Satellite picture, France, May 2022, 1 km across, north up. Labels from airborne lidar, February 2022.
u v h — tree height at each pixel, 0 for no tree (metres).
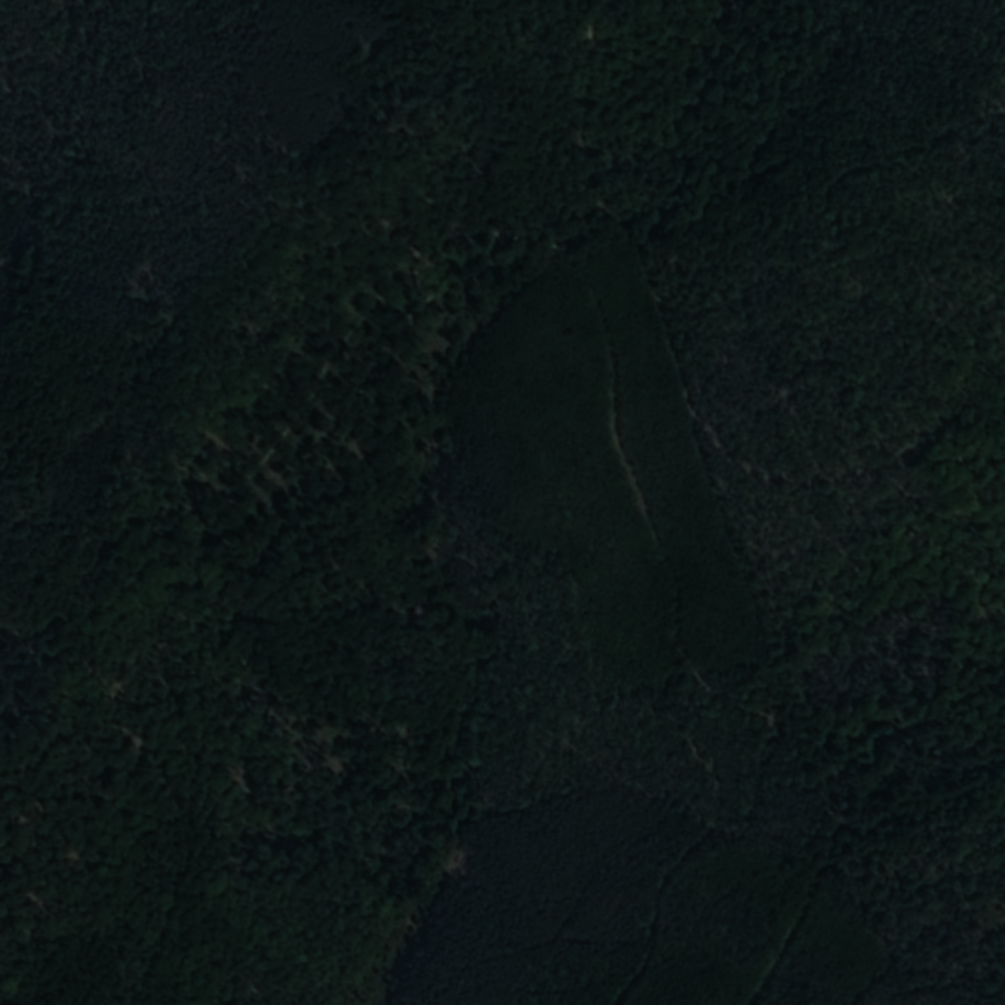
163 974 26
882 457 19
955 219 24
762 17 35
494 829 21
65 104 29
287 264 19
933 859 25
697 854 17
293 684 32
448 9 29
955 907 21
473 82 21
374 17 16
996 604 31
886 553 29
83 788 35
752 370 27
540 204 23
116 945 27
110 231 26
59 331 23
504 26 32
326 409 24
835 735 30
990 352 24
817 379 26
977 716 31
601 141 20
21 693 28
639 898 16
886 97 28
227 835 34
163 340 18
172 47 20
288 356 30
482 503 17
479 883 16
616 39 32
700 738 16
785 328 29
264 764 34
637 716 20
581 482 11
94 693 34
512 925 19
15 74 26
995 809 19
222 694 28
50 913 30
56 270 32
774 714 20
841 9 28
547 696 26
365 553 28
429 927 24
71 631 26
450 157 23
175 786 31
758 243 28
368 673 29
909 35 25
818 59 33
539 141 26
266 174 21
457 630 35
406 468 36
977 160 25
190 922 29
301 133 14
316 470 31
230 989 30
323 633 29
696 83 37
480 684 26
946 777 18
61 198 28
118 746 35
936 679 35
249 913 26
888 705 27
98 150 27
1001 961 22
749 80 35
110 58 26
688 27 38
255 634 32
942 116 24
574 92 27
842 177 24
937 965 20
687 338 26
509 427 12
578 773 19
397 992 22
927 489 27
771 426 25
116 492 20
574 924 16
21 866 36
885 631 28
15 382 28
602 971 10
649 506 13
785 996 18
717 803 19
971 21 25
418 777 28
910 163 24
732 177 37
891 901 22
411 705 25
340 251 24
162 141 19
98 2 25
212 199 17
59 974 25
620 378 11
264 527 20
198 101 20
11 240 12
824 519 25
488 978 15
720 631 14
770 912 20
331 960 25
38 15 23
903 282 24
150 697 42
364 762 26
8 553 25
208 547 27
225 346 18
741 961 15
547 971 13
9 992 27
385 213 27
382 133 26
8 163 29
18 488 12
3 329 28
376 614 30
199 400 20
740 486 23
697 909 10
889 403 26
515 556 23
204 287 19
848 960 13
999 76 24
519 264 28
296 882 32
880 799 27
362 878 37
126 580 25
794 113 31
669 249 24
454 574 10
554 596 24
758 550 20
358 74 14
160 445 25
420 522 35
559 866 15
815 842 18
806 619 21
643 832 14
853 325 24
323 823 28
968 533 27
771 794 21
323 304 26
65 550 25
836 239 25
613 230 18
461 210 20
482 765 28
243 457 31
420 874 30
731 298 11
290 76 16
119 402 19
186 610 31
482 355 20
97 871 29
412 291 32
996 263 23
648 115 33
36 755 38
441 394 15
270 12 17
